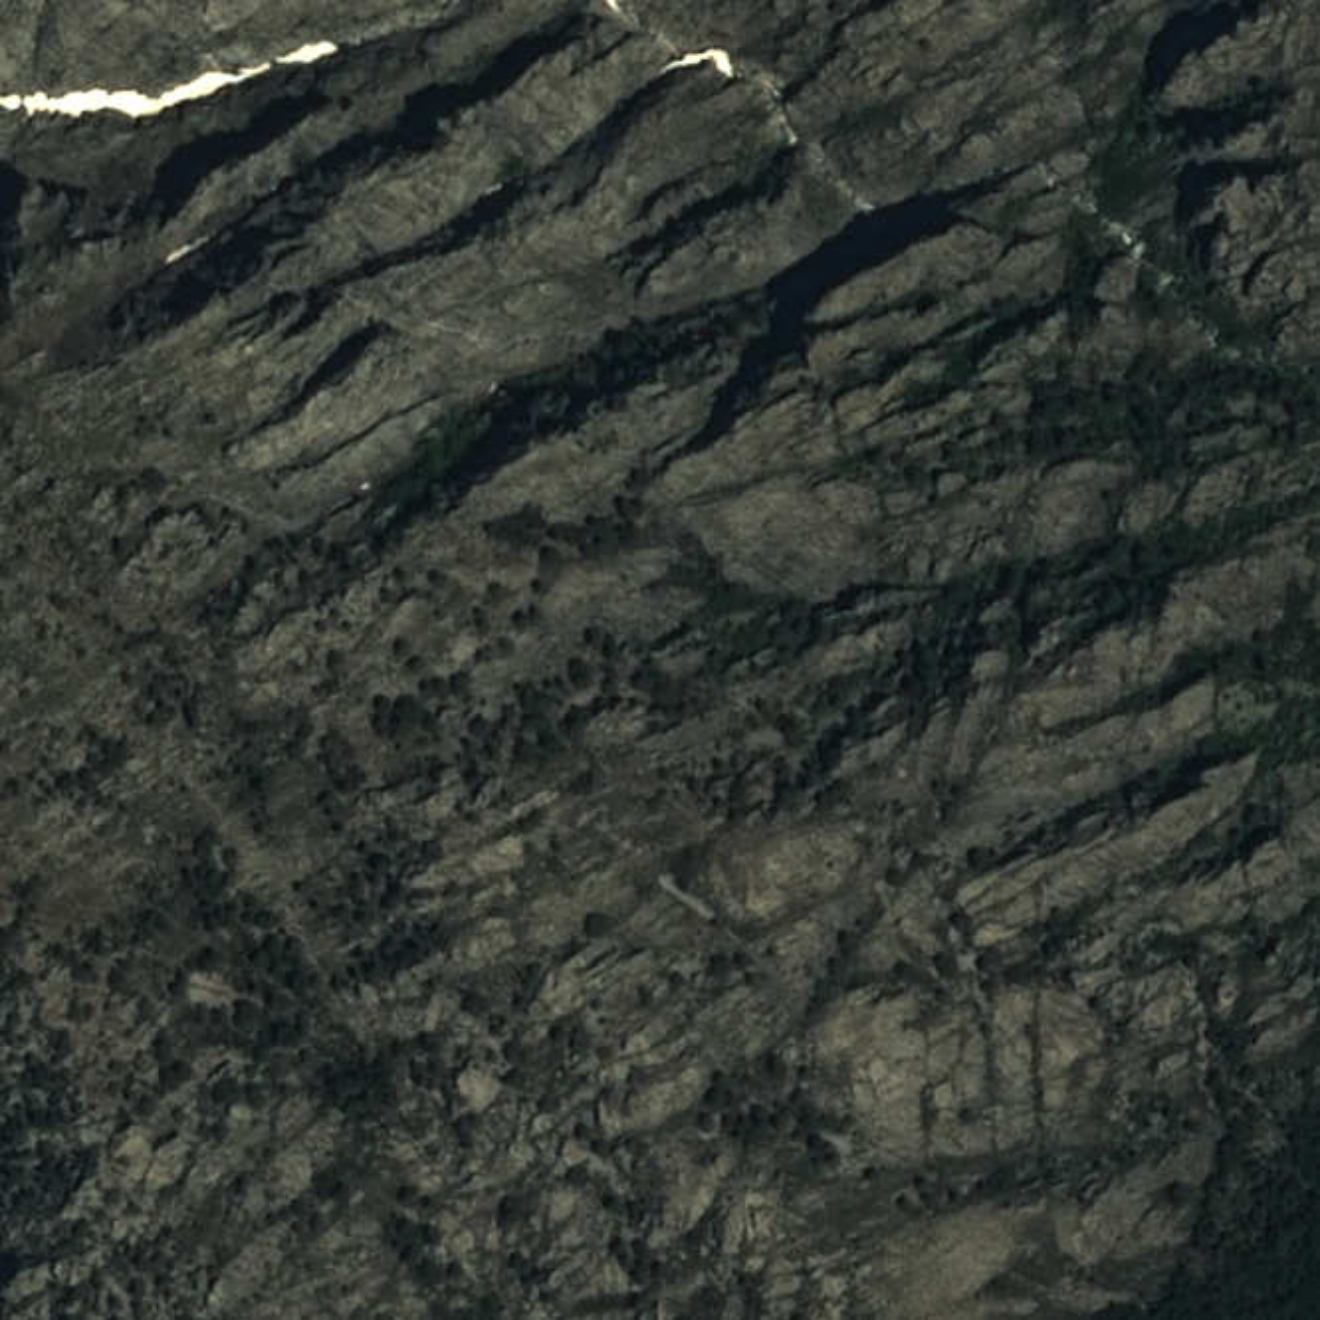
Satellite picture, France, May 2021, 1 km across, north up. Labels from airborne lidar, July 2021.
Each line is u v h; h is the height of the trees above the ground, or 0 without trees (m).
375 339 9
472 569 0
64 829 0
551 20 13
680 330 23
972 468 12
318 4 0
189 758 0
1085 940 7
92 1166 11
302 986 28
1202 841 27
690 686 11
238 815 0
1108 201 7
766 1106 18
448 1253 0
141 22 0
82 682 0
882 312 8
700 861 13
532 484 0
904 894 0
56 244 6
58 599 13
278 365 0
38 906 10
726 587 14
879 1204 0
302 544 24
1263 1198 21
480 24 0
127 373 0
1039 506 0
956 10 0
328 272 8
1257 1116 14
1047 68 0
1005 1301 0
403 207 0
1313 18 0
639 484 17
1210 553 6
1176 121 20
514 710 14
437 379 0
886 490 8
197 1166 6
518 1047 11
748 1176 0
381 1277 0
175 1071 19
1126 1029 22
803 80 11
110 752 22
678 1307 0
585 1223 0
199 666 0
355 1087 27
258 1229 6
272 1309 0
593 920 19
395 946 19
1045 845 16
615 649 20
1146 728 0
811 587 0
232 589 9
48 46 0
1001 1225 0
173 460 0
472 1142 10
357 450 0
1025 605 20
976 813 0
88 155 0
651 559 0
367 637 0
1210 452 7
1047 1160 8
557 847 16
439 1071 22
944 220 7
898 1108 0
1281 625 8
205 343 0
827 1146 20
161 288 6
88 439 0
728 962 21
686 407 0
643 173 0
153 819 0
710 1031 0
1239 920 9
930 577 14
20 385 0
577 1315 0
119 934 7
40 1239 15
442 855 7
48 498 8
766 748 8
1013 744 0
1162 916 9
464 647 0
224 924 27
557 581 0
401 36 0
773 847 0
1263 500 8
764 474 8
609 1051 9
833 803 11
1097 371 18
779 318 11
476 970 0
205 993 0
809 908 0
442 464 11
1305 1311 20
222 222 7
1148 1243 0
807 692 10
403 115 8
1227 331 13
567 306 0
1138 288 11
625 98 11
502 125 0
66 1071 11
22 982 12
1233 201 0
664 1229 9
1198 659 12
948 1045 0
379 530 8
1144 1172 0
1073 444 30
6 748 16
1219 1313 14
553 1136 0
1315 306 16
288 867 0
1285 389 14
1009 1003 0
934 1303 0
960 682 27
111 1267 16
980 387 7
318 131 0
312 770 0
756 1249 0
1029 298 7
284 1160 0
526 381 16
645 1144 9
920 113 0
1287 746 9
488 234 15
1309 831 0
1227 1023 14
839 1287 0
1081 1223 0
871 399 0
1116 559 29
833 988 7
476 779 18
